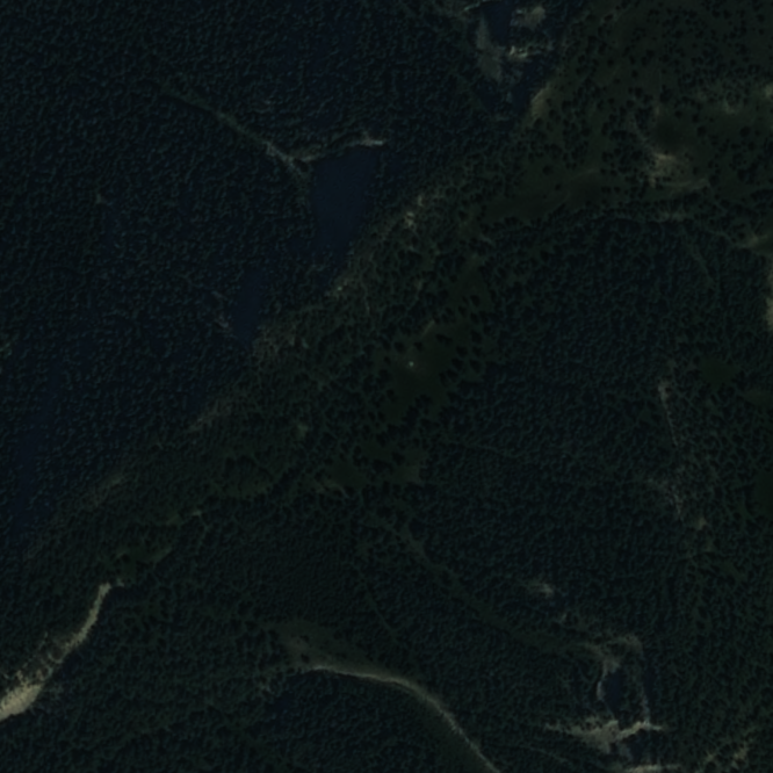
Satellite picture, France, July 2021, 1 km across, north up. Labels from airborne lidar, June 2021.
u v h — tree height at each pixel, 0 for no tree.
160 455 23
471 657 16
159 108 25
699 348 13
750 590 16
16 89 29
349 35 8
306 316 18
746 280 18
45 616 15
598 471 15
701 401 15
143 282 24
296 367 20
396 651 17
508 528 16
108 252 8
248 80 28
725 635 17
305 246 26
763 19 14
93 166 15
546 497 16
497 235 13
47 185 25
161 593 22
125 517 21
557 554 12
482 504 15
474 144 20
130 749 25
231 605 23
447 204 23
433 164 17
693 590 16
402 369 0
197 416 8
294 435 20
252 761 12
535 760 9
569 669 11
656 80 0
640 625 12
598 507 21
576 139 18
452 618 18
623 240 26
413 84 25
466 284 0
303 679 20
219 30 22
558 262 25
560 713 12
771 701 28
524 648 14
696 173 11
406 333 13
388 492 18
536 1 10
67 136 30
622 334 22
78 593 14
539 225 16
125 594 26
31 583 21
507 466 7
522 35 13
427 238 25
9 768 16
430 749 16
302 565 17
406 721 12
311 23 15
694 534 15
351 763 16
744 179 19
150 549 10
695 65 7
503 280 17
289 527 18
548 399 14
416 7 13
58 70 19
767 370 17
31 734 11
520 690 15
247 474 29
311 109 16
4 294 9
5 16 26
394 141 15
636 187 6
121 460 12
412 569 11
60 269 26
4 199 15
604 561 20
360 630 15
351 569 7
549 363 12
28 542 11
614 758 8
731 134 0
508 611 18
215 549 17
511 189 17
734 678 26
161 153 24
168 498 29
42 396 29
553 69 7
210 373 12
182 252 27
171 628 16
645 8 0
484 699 16
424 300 15
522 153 17
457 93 29
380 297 15
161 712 24
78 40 22
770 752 10
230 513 24
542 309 22
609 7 0
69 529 12
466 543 9
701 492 23
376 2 23
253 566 16
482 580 18
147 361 8
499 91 7
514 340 21
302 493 8
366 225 9
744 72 9
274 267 14
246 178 30
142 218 21
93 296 9
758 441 20
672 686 12
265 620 11
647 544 25
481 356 17
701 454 15
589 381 12
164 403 12
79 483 20
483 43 0
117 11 23
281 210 22
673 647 13
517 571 16
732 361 19
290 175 20
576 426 17
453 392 0
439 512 17
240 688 19
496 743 7
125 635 19
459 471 6
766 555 27
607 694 0
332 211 0
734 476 28
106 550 26
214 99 17
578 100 17
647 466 11
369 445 0
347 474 0
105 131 12
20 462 36
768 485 0
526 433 11
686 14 10
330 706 23
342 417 23
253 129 31
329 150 9
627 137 21
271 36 18
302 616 13
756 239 0
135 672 20
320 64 16
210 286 19
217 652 20
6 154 23
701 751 13
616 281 21
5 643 16
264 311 9
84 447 21
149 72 16
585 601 13
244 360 19
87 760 25
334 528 7
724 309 22
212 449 24
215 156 24
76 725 13
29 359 19
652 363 13
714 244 15
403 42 24
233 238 15
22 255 14
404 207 7
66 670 7
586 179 0
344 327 14
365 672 0
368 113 12
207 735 25
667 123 0
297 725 15
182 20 10
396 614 16
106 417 24
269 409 30
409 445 23
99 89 30
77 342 20
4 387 14
